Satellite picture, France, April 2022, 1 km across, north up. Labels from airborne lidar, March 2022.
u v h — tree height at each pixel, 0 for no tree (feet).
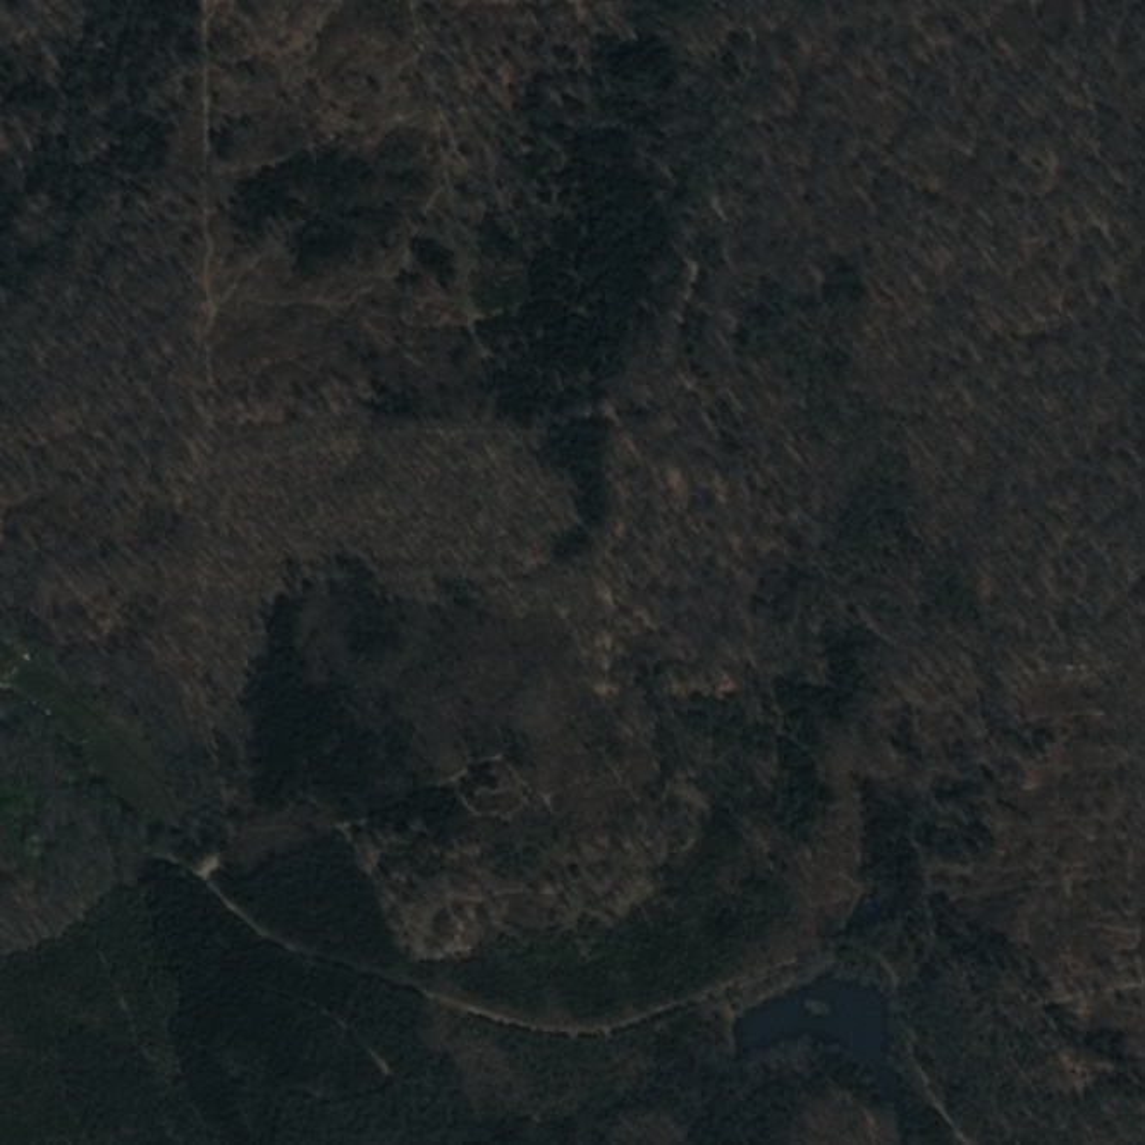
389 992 85
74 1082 46
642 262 76
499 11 19
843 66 51
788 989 57
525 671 30
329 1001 55
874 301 73
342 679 49
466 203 93
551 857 83
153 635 102
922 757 25
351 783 58
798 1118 67
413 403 42
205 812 73
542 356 47
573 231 48
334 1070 59
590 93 100
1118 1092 85
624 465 93
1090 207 90
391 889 66
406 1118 85
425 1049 67
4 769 74
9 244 117
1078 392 85
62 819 98
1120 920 87
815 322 86
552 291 41
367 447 57
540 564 58
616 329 96
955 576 89
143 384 98
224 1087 66
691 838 85
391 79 0
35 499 71
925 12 94
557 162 105
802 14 83
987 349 86
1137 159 81
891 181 73
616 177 71
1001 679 88
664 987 39
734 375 93
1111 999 81
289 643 67
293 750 68
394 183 44
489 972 47
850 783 31
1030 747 80
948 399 75
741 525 95
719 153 88
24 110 98
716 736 56
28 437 101
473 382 31
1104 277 79
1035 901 73
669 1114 73
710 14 86
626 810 24
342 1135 54
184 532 71
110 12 97
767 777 64
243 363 21
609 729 39
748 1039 0
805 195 89
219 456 78
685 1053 39
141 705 100
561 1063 36
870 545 104
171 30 54
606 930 20
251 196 48
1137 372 81
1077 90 86
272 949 63
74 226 76
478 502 71
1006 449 82
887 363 78
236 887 72
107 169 58
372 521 73
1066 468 75
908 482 90
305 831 30
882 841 42
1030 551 77
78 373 96
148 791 0
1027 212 83
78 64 40
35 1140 34
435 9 32
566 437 90
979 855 85
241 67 27
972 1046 83
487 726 35
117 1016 30
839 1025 0
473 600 53
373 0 21
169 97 100
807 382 76
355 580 50
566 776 22
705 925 46
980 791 55
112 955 40
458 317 22
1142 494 91
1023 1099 93
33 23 106
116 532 84
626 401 104
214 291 0
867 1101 77
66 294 86
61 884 94
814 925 28
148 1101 66
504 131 87
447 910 89
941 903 45
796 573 55
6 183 32
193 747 89
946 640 81
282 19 0
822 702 62
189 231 93
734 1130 96
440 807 39
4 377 87
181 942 85
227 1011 75
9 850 83
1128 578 86
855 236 70
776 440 74
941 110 89
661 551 104
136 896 39
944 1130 75
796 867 27
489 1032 37
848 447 52
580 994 33
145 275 101
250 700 73
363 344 29
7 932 86
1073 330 97
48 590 93
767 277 98
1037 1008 80
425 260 35
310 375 19
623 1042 44
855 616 49
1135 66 90
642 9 82
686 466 82
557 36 90
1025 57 75
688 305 85
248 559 75
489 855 32
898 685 89
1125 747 81
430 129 0
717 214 91
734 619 93
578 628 47
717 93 81
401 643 60
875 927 59
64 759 80
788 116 78
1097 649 91
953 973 81
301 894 56
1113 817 93
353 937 63
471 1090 36
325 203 29
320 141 23
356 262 21
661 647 45
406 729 58
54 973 36
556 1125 30
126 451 96
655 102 88
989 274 83
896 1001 57
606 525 82
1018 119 91
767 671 72
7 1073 40
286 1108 68
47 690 0
